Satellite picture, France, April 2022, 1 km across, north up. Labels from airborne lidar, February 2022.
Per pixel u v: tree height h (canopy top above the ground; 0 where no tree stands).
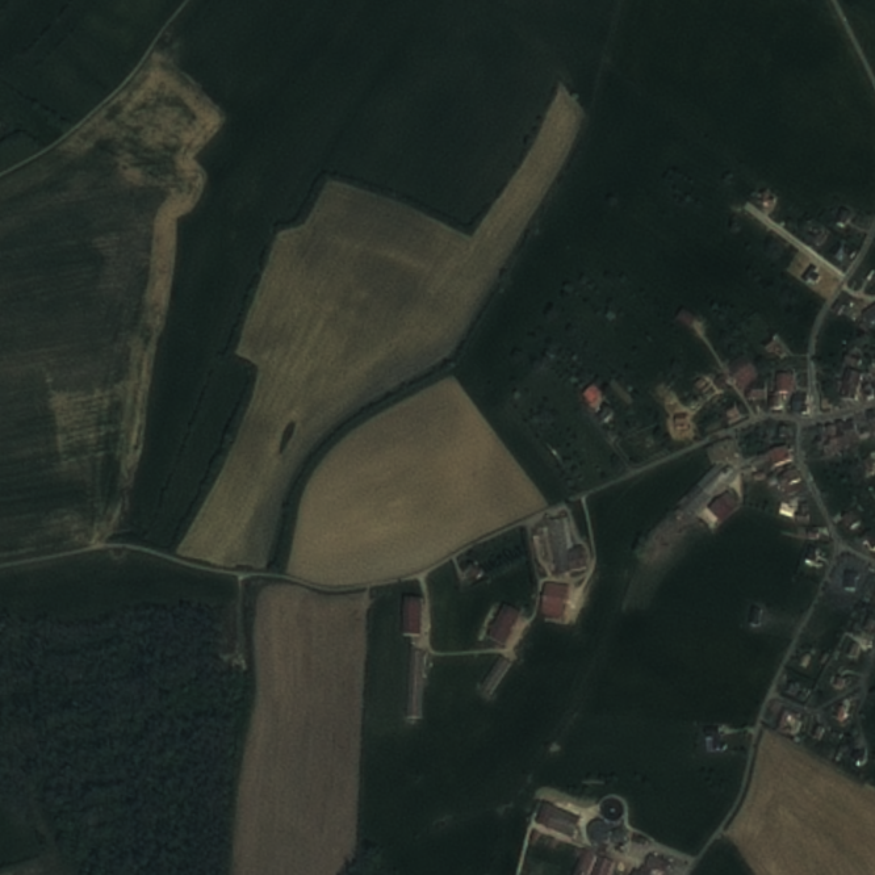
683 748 0
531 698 0
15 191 0
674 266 0
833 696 0
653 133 0
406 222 0
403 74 0
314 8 0
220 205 0
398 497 0
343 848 0
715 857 0
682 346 0
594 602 0
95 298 0
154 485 0
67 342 0
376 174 0
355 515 0
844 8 0
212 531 0
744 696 0
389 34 0
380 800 0
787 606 0
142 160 0
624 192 0
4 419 0
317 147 0
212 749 30
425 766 0
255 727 0
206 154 0
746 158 0
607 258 0
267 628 0
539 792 0
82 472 0
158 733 25
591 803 0
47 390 0
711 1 0
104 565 0
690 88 0
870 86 0
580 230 0
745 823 0
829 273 0
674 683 0
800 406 0
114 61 0
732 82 0
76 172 0
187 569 0
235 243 0
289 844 0
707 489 0
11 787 21
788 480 0
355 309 0
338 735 0
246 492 0
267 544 0
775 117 0
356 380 0
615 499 0
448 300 0
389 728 0
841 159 0
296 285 0
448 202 0
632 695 0
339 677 0
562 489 0
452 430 0
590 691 0
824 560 0
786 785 0
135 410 0
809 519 0
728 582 0
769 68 0
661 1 0
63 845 17
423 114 0
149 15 0
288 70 0
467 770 0
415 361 0
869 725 0
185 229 0
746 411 8
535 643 0
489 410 0
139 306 0
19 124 0
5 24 0
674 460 0
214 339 0
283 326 0
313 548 0
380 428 0
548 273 0
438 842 0
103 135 0
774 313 0
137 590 0
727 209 0
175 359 0
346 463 0
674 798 0
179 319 0
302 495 0
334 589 0
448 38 0
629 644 0
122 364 0
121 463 0
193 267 0
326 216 0
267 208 0
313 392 0
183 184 0
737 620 0
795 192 0
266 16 0
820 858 0
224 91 0
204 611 7
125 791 23
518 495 0
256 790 0
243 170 0
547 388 0
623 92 0
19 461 0
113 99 0
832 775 0
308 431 0
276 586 0
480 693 0
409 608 0
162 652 25
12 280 0
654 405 0
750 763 0
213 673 28
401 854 0
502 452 0
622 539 0
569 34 0
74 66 0
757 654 0
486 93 0
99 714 24
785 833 0
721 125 0
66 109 0
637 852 0
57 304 0
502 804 0
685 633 0
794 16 0
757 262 0
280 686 0
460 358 8
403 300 0
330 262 0
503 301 0
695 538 0
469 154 0
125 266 0
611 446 0
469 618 0
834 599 0
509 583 0
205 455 0
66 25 0
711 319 0
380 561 0
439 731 0
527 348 0
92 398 0
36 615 0
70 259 0
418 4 0
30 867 0
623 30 0
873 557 0
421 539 0
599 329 0
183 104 0
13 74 0
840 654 0
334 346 0
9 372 0
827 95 0
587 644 0
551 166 0
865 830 0
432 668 0
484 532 0
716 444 12
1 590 0
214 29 0
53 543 0
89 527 0
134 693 21
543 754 0
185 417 0
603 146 0
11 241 0
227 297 0
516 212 0
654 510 0
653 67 0
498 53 0
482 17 0
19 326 0
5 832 0
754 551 0
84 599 0
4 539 0
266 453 0
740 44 0
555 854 0
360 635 0
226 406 0
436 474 0
